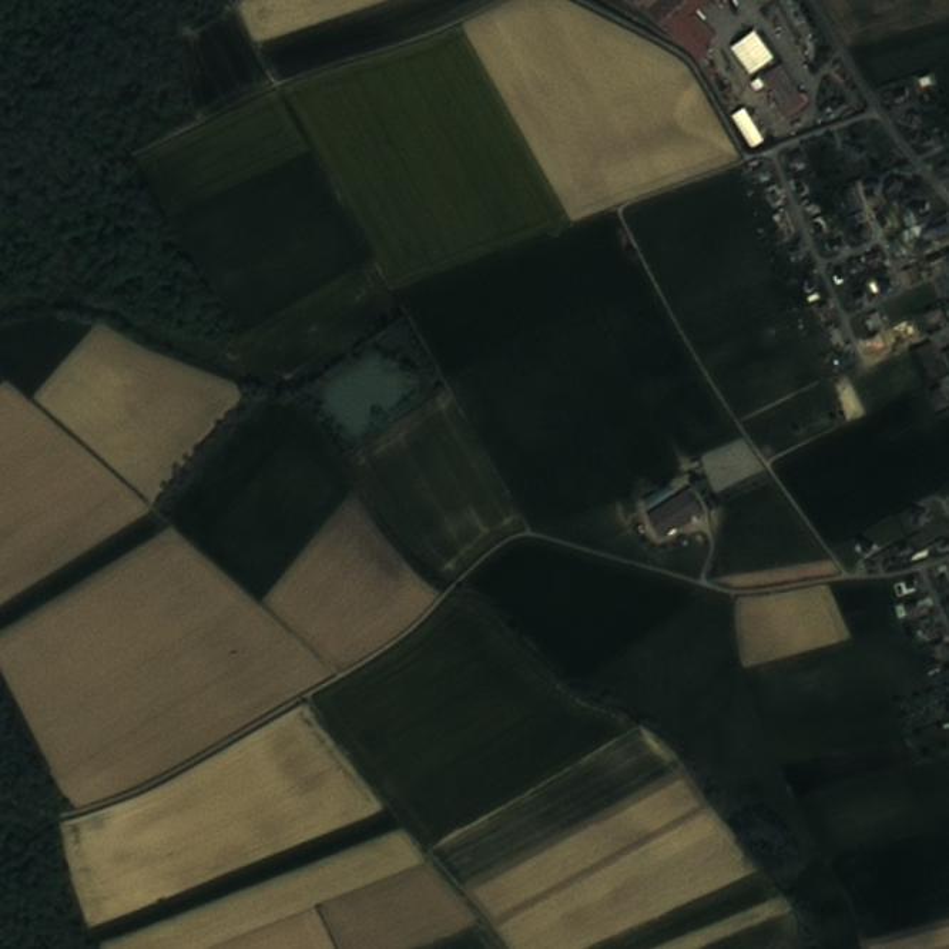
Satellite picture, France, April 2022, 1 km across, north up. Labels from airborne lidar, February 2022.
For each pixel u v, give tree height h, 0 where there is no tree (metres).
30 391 0
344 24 0
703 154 0
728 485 0
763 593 0
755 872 0
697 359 0
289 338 0
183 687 0
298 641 0
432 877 0
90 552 0
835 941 0
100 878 0
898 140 0
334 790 0
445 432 0
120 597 0
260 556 0
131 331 15
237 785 0
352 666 0
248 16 0
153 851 0
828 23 0
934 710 0
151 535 0
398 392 0
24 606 0
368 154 0
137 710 0
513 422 0
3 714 22
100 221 23
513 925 0
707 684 0
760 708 0
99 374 0
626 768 0
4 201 29
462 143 0
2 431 0
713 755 0
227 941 0
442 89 0
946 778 0
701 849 0
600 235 0
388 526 0
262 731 0
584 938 0
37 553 0
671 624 0
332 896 0
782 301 0
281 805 0
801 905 13
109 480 0
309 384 13
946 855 0
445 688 0
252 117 0
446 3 0
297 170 0
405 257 0
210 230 0
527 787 0
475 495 0
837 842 0
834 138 12
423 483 0
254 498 0
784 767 0
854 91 7
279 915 0
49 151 28
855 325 0
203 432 0
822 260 0
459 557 0
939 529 0
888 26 0
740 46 0
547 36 0
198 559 0
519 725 0
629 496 0
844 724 0
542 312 0
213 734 0
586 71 0
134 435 0
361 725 0
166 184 0
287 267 0
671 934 0
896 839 0
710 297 0
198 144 0
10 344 0
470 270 0
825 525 0
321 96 0
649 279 0
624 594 0
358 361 10
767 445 0
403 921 0
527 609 0
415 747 0
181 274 16
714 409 0
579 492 0
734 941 0
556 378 0
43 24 20
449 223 0
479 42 0
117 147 19
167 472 0
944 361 0
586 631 0
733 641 0
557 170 0
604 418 0
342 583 0
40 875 25
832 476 0
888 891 0
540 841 0
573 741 0
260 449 0
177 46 23
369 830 0
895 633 0
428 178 0
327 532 0
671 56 0
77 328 0
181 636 0
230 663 0
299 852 0
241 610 0
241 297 0
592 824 0
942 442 0
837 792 0
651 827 0
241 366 0
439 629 0
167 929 0
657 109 0
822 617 0
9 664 0
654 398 0
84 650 0
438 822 0
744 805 0
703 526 0
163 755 0
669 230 0
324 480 0
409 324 20
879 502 0
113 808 0
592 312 0
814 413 0
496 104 0
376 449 0
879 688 0
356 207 0
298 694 0
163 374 0
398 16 0
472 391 0
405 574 0
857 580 0
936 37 0
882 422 0
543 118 0
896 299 0
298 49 0
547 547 0
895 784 0
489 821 0
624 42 0
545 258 0
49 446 0
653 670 0
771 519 0
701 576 0
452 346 0
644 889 0
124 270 24
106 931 0
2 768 34
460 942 0
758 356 0
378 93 0
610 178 0
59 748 0
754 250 0
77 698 0
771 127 0
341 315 0
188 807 0
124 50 27
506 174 0
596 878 0
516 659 0
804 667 0
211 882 0
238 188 0
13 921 27
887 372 0
